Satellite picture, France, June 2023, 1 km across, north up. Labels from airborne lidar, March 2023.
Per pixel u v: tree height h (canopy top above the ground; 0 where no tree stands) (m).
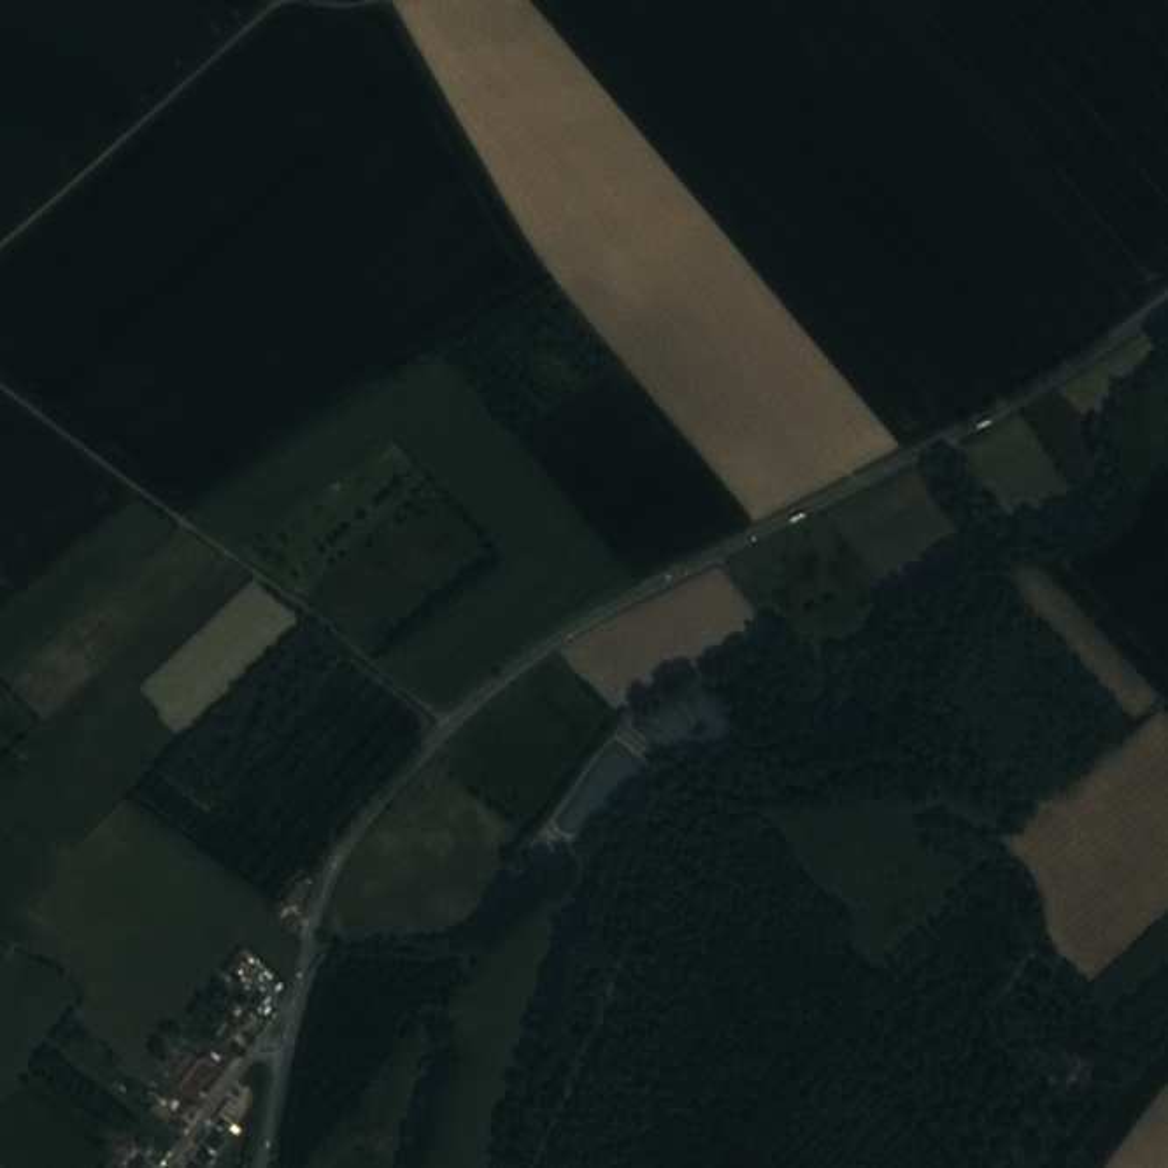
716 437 0
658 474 0
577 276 0
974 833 18
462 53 0
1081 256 0
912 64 0
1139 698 0
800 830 0
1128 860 0
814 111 0
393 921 0
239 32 0
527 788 0
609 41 0
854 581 0
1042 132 0
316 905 0
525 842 11
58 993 0
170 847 0
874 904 0
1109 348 0
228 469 0
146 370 0
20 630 0
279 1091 0
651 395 0
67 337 0
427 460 0
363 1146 0
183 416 0
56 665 0
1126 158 0
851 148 0
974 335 0
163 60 0
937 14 0
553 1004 34
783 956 26
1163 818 0
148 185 0
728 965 21
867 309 0
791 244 0
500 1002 0
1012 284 0
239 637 0
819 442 0
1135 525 0
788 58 0
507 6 0
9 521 0
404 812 0
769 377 0
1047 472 0
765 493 0
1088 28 0
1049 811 0
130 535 0
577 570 0
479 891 0
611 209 0
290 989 0
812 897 26
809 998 24
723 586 0
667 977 19
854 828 0
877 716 32
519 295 7
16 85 0
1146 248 0
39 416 0
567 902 0
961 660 17
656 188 0
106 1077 0
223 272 0
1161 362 18
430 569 0
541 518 0
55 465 0
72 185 0
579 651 0
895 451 0
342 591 0
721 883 23
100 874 0
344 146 0
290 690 15
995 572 10
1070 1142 22
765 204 0
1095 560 0
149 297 0
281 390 0
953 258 0
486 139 0
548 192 0
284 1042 0
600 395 0
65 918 0
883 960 0
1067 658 16
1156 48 0
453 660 0
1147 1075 0
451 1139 0
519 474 0
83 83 0
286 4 0
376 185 0
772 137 0
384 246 0
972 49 0
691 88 0
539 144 0
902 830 0
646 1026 20
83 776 0
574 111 0
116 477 0
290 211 0
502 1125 14
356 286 0
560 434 0
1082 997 16
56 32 0
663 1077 18
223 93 0
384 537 0
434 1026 27
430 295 0
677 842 10
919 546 0
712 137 0
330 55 0
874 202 0
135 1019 0
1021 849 0
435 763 0
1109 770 0
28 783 0
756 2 0
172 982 0
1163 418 0
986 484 0
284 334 0
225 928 0
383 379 7
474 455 0
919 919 0
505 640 0
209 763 18
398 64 0
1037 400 0
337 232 0
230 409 0
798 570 0
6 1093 0
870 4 0
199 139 0
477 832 0
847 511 0
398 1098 0
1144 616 0
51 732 0
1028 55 0
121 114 0
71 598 0
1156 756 0
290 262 0
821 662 25
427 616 15
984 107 0
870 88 0
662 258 0
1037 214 0
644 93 0
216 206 0
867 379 0
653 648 0
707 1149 24
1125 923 0
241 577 0
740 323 0
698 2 0
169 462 0
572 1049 22
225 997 13
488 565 12
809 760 23
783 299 0
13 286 0
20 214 0
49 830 0
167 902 0
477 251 0
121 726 0
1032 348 0
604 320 0
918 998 22
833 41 0
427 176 0
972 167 0
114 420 0
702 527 0
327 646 11
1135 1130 0
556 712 0
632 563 0
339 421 0
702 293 0
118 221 0
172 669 0
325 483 0
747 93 0
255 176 0
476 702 0
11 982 0
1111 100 0
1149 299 0
